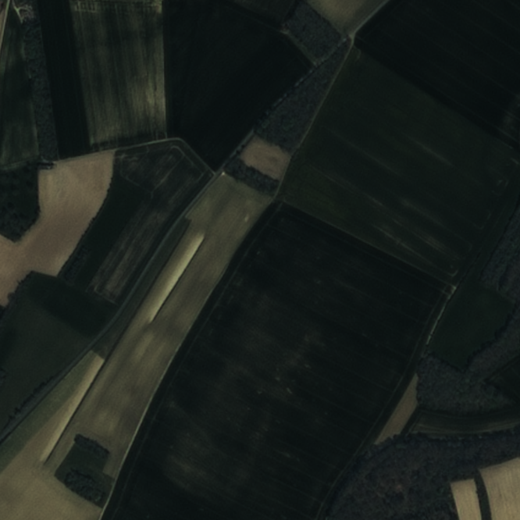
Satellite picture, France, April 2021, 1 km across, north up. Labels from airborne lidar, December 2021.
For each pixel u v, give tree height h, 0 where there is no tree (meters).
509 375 0
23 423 0
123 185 0
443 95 0
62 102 0
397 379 0
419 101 0
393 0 0
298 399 0
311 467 0
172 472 0
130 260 0
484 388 14
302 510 0
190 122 0
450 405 15
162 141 0
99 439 0
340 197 0
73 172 0
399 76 0
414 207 0
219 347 0
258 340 0
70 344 0
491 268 7
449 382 9
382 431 0
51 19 0
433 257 0
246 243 0
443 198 0
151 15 0
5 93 0
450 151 0
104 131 0
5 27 0
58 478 0
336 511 14
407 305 0
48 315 0
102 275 0
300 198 0
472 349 0
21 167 0
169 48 0
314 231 0
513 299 13
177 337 0
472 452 18
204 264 0
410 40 0
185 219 0
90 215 0
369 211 0
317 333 0
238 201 0
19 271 0
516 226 8
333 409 0
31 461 0
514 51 0
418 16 0
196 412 0
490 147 0
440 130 0
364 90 0
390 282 0
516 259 11
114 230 0
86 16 0
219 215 0
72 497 0
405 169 0
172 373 0
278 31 0
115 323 0
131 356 0
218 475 0
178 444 0
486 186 0
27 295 0
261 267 0
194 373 0
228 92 0
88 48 0
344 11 0
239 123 0
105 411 0
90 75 0
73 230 0
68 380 0
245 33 0
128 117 0
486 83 0
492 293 0
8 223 14
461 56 0
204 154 0
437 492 7
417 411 0
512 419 0
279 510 0
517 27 0
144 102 0
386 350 0
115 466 0
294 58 0
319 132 0
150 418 0
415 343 0
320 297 0
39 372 0
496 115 0
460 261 0
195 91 0
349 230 0
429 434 0
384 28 0
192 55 0
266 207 0
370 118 0
